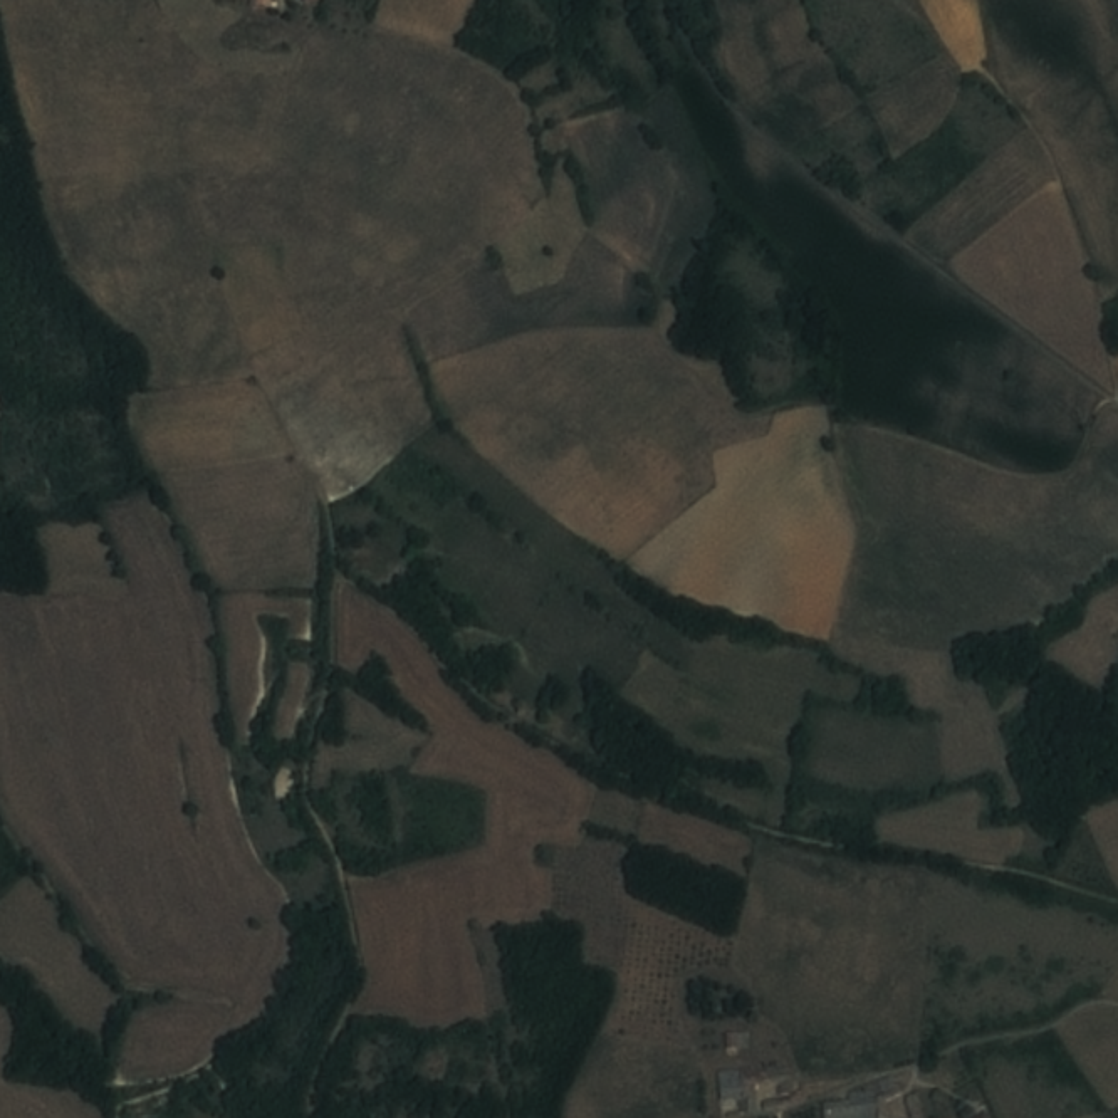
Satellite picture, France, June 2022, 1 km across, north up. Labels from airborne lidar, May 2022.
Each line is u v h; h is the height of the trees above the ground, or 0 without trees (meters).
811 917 0
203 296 0
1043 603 0
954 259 0
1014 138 0
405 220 0
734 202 0
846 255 0
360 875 8
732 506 0
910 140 0
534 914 0
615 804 0
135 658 0
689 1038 0
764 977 0
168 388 0
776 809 0
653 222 0
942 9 0
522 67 12
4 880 6
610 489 0
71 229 0
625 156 0
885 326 0
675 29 7
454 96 0
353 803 7
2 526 17
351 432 0
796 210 0
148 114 0
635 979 0
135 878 0
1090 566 0
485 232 0
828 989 0
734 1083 0
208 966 0
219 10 0
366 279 0
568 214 0
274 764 13
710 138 0
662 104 0
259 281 0
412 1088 12
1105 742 22
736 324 12
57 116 0
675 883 14
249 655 0
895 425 0
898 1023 0
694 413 0
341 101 0
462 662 11
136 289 0
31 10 0
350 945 11
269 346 0
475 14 9
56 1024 14
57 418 8
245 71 0
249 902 0
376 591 10
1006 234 0
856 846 12
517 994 6
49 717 0
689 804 15
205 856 0
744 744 0
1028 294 0
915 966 0
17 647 0
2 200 11
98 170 0
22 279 9
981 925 0
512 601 0
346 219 0
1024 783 13
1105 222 0
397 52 0
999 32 0
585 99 0
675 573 0
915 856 11
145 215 0
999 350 0
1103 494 0
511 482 0
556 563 0
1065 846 10
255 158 0
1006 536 0
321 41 0
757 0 0
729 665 0
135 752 0
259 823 0
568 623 0
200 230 0
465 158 0
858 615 0
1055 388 0
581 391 0
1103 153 0
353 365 0
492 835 0
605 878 0
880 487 0
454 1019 0
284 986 18
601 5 17
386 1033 9
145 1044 0
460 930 0
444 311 0
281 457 0
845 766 0
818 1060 0
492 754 0
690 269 8
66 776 0
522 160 0
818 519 0
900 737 0
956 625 0
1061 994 0
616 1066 0
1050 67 0
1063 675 19
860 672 9
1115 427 0
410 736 0
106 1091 14
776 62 0
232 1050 19
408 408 0
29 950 0
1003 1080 0
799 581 0
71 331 8
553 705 13
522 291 0
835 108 0
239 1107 7
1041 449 0
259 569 0
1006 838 0
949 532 0
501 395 0
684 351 12
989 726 0
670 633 0
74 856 0
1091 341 0
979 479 0
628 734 23
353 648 0
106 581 0
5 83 13
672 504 0
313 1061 9
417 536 15
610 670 0
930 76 0
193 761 0
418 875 0
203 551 0
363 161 0
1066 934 0
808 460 0
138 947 0
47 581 14
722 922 17
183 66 0
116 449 8
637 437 0
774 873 0
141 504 0
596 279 0
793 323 17
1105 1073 0
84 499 12
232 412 0
